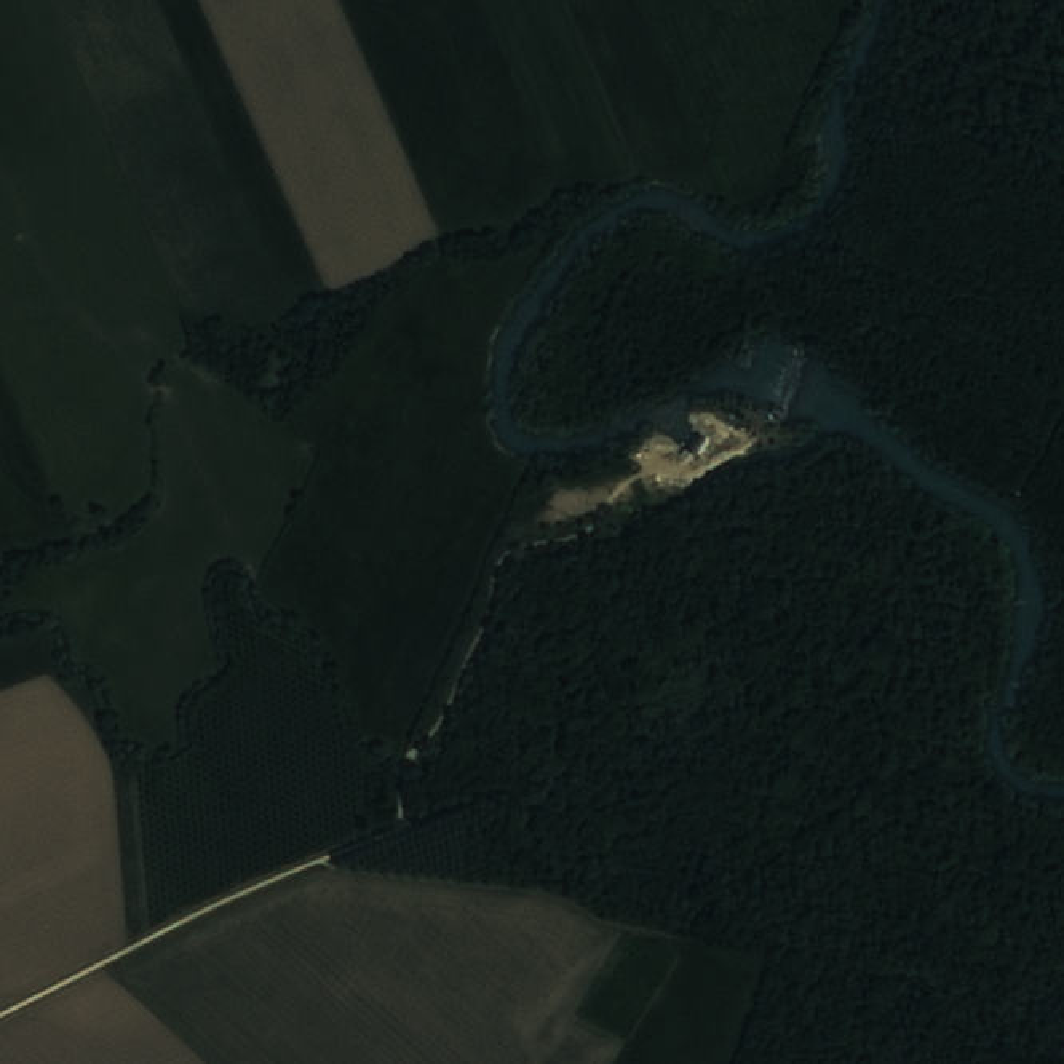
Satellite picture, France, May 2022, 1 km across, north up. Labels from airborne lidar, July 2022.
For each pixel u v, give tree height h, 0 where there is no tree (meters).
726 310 14
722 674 23
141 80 0
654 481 0
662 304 9
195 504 0
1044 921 14
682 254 12
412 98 0
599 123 0
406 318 0
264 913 0
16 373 0
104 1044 0
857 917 20
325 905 0
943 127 17
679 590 23
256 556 0
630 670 29
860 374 14
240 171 0
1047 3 17
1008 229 17
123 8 0
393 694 0
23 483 0
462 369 0
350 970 0
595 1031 0
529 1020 0
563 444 0
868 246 19
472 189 0
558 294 11
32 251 0
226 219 0
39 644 0
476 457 0
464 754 25
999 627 18
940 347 23
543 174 0
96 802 0
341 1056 0
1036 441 20
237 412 0
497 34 0
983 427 22
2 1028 0
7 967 0
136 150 0
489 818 24
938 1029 28
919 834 24
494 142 0
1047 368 22
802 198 13
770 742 19
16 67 0
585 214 19
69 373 0
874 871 18
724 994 0
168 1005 0
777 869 27
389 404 0
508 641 22
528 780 16
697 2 0
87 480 0
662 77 0
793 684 25
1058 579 10
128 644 0
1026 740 14
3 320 0
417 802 20
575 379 14
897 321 22
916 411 9
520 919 0
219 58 0
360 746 7
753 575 24
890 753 24
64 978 0
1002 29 26
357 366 0
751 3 0
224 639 8
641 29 0
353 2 0
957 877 24
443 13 0
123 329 0
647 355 7
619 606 27
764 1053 17
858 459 17
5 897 0
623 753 24
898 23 14
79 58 0
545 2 0
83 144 0
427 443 0
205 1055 0
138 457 0
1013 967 26
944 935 27
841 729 21
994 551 15
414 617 0
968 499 0
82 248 0
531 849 25
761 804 15
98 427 0
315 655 10
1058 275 16
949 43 25
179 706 7
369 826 19
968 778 12
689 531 22
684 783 22
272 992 0
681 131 0
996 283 16
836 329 18
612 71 0
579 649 27
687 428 0
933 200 15
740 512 26
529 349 12
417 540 0
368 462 0
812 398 0
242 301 0
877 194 17
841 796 23
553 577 23
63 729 0
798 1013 17
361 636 0
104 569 0
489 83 0
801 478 19
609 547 16
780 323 10
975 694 12
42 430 0
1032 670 10
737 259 16
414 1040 0
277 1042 0
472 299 0
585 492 0
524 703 24
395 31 0
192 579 0
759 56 0
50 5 0
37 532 0
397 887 0
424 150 0
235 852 8
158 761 8
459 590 0
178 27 0
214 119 0
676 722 19
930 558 14
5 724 0
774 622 20
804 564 21
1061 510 11
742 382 0
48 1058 0
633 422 0
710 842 22
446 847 27
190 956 0
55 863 0
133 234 0
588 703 24
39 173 0
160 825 8
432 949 0
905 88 25
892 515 20
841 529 15
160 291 0
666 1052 0
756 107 0
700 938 13
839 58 7
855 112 15
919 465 0
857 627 17
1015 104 9
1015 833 15
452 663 6
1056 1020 25
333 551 0
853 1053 16
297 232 0
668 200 0
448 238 10
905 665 26
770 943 14
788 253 18
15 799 0
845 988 23
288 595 0
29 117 0
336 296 14
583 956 0
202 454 0
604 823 30
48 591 0
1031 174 12
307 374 12
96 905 0
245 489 0
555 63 0
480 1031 0
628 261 11
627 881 18
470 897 0
